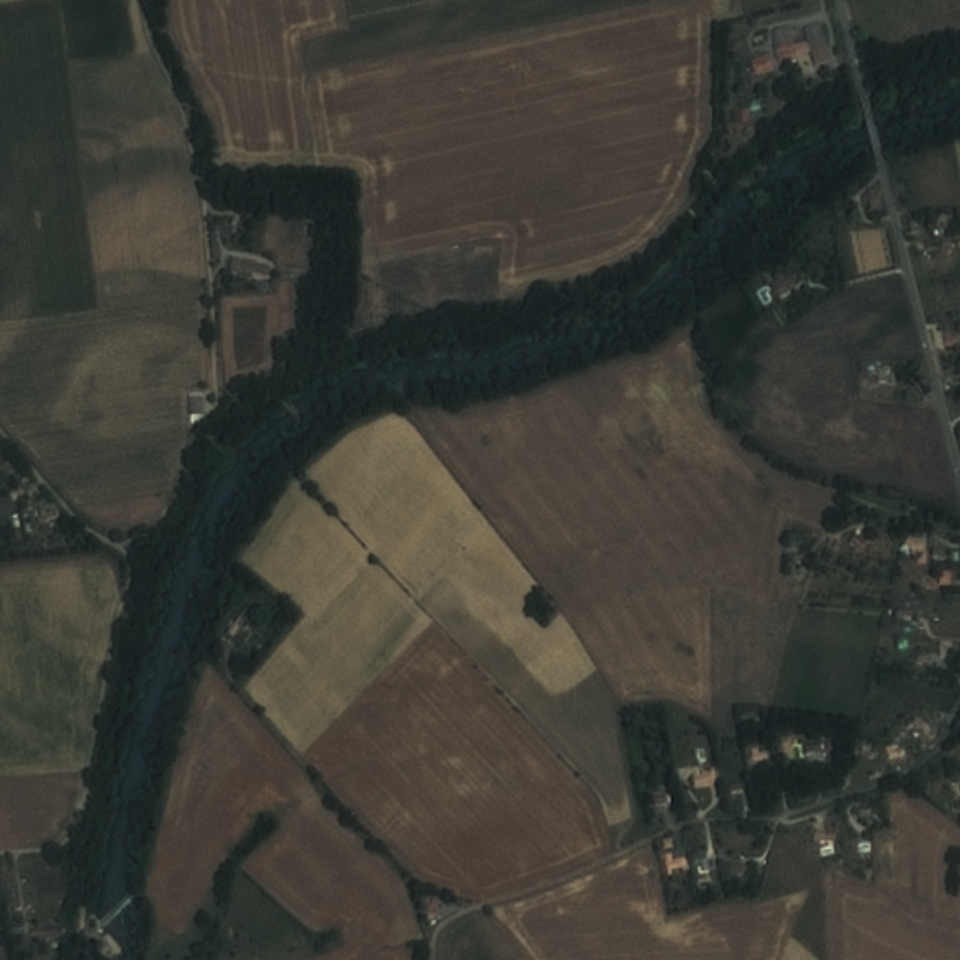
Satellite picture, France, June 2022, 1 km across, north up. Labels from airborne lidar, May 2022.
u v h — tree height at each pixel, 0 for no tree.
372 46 0
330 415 16
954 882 12
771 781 18
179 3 0
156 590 11
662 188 0
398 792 0
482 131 0
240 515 21
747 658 0
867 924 0
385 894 0
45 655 0
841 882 0
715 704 0
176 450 0
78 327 0
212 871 0
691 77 0
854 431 0
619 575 0
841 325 0
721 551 0
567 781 0
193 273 0
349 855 0
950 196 0
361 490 0
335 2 0
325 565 0
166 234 0
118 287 0
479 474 0
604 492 0
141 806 23
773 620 0
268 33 0
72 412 0
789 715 20
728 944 0
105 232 0
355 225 17
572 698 0
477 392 19
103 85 0
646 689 0
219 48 0
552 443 0
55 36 0
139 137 0
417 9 0
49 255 0
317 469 0
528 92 0
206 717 0
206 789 0
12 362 0
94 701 0
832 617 0
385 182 0
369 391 27
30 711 0
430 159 0
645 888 0
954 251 0
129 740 16
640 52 0
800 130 24
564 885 0
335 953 0
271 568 0
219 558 16
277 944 0
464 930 0
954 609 0
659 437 0
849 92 18
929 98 13
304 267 0
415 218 0
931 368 0
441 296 0
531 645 0
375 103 0
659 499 0
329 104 0
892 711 0
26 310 0
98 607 0
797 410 0
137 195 0
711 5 0
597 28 0
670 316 26
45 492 6
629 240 0
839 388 0
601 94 0
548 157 0
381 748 0
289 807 0
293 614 21
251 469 20
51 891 0
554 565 0
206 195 15
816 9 0
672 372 0
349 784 0
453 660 0
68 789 0
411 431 0
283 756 0
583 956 0
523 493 0
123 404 0
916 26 0
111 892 0
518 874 0
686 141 0
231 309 0
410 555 0
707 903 8
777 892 0
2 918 8
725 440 0
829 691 0
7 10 0
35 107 0
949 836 0
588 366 10
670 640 0
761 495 0
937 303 0
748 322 0
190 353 0
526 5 0
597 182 0
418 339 28
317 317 22
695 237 9
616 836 0
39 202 0
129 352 0
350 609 0
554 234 0
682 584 0
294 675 0
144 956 7
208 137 16
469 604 0
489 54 0
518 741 0
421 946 10
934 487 0
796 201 21
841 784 16
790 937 0
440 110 0
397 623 0
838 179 12
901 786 13
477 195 0
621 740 0
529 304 18
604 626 0
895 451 0
